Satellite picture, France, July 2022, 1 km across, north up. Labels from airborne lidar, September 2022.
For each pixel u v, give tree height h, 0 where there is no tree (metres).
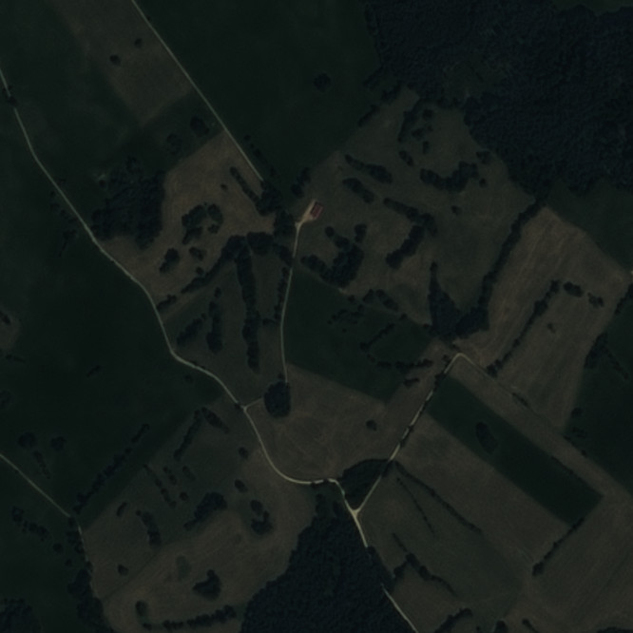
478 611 0
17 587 0
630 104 11
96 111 0
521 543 0
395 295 0
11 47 0
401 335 0
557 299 0
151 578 0
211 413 12
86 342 0
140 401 0
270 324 8
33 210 0
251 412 0
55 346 0
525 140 21
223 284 0
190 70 0
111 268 0
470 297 0
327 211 0
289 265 12
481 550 0
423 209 0
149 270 0
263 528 11
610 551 0
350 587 20
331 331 0
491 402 0
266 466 0
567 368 0
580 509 0
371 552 17
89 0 0
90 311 0
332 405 0
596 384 0
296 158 0
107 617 0
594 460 0
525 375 0
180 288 0
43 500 0
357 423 0
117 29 0
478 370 0
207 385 0
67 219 6
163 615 0
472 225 0
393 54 20
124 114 0
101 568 0
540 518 0
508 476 0
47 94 0
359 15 0
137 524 0
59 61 0
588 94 26
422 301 0
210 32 0
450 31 16
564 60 14
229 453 0
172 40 0
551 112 28
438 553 0
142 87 0
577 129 33
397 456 0
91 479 0
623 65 25
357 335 0
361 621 9
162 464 0
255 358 16
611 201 0
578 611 0
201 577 0
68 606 0
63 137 0
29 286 0
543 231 0
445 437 0
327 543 17
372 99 0
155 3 0
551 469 0
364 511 0
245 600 0
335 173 0
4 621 7
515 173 6
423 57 24
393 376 0
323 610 20
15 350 0
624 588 0
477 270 0
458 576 0
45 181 0
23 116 0
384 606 18
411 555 6
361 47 0
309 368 0
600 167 21
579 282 0
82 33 0
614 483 0
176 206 0
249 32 0
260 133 0
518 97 27
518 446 0
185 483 0
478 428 10
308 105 0
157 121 0
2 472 0
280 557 0
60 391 0
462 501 0
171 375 0
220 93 0
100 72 0
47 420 0
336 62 0
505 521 0
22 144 0
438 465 0
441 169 0
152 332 0
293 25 0
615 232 0
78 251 0
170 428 0
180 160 0
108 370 0
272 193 19
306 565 16
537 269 0
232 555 0
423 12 17
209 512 15
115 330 0
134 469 0
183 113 0
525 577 0
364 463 8
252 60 0
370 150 0
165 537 0
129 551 0
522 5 26
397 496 0
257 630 21
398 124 0
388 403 0
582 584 0
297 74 0
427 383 0
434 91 20
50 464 0
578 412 10
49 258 0
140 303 0
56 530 0
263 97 0
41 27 0
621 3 0
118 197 7
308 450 0
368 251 0
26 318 0
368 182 0
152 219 6
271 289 0
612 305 0
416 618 0
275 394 22
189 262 0
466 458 0
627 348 0
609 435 0
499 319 0
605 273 0
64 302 0
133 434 0
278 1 0
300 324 0
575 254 0
